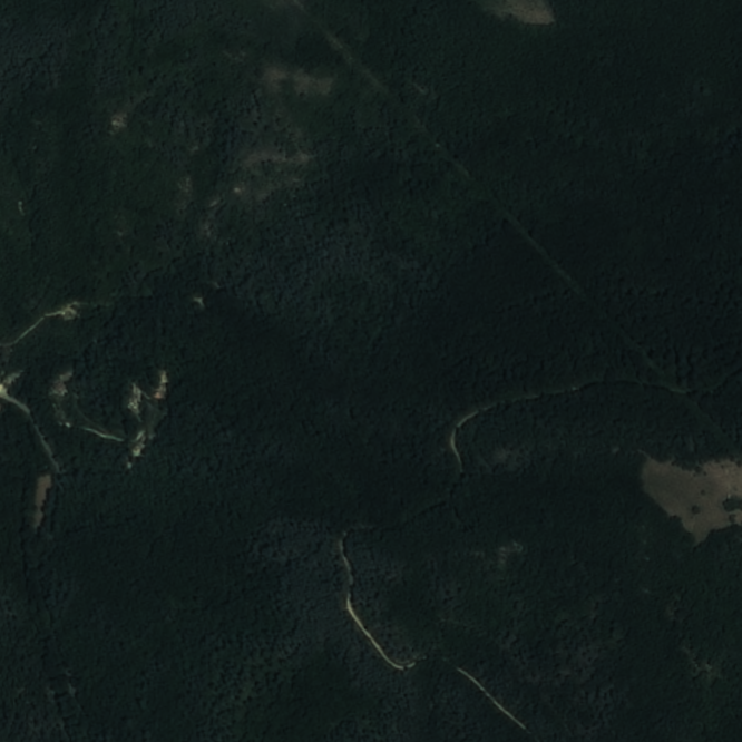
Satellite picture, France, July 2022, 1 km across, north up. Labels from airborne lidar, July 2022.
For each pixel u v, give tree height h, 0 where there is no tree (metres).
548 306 19
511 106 16
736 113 18
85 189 16
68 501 7
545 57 18
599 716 8
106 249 14
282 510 14
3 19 14
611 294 21
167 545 22
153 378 20
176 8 20
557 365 21
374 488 20
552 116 18
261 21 5
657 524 12
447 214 16
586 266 19
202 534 26
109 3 21
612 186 22
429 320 18
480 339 17
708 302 15
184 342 18
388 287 16
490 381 22
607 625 10
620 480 15
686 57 17
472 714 18
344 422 23
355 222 6
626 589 13
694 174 22
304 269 19
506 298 21
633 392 15
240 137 22
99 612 23
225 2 7
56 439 16
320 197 15
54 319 9
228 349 22
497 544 9
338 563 18
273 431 22
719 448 16
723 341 21
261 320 17
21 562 15
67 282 7
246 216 10
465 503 16
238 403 19
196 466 18
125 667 18
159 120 7
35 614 22
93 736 23
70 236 15
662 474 0
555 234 21
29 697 19
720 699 16
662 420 18
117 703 16
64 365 17
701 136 20
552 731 19
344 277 12
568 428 7
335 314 9
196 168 7
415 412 11
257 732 16
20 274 11
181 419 21
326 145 17
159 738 14
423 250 14
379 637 8
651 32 18
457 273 16
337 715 17
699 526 0
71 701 20
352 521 15
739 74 18
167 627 15
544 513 22
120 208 9
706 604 19
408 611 16
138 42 11
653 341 22
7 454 18
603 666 12
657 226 20
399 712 11
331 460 21
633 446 10
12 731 18
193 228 9
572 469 18
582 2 10
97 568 19
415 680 16
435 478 19
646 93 16
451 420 6
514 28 12
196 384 15
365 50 11
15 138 18
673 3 13
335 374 24
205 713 13
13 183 9
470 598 11
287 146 10
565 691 12
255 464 18
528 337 20
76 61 17
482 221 14
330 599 17
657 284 20
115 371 14
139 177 7
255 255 11
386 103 8
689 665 15
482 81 16
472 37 12
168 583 17
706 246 20
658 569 15
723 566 18
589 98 16
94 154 9
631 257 20
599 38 16
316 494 17
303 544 20
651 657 16
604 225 20
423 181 13
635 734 14
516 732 15
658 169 17
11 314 12
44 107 11
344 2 10
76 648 20
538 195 22
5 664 24
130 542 20
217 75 7
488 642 10
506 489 15
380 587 12
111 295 10
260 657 6
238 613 21
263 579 15
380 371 15
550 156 18
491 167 20
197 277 16
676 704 11
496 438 9
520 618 8
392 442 10
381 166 24
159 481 15
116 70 18
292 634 9
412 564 10
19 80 17
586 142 22
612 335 18
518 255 22
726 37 14
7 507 19
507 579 6
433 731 19
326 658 15
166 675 13
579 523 16
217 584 23
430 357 19
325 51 14
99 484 12
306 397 23
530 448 7
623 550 12
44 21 14
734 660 21
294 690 16
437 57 16
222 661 9
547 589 12
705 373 24
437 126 19
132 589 23
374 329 7
